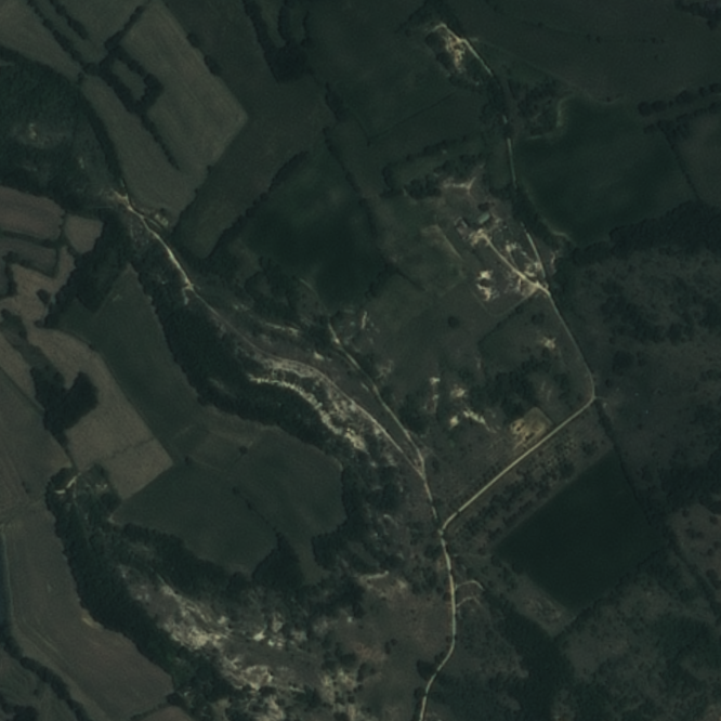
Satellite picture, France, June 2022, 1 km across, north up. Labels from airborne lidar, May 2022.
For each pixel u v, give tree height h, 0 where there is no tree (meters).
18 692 0
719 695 6
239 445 0
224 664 0
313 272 0
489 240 0
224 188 0
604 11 0
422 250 0
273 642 0
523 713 10
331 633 6
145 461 0
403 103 0
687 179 8
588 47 0
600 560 0
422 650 0
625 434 0
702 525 0
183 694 10
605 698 7
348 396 0
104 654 0
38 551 0
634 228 11
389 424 0
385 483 7
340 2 0
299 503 0
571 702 6
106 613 16
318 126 0
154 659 17
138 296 0
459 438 0
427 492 0
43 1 0
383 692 0
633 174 0
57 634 0
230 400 9
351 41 0
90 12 0
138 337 0
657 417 0
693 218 7
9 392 0
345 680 0
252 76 0
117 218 10
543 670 11
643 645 0
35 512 0
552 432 0
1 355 0
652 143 0
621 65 0
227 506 0
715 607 10
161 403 0
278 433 0
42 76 9
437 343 0
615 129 0
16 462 0
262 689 10
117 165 12
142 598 0
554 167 0
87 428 0
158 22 0
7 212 0
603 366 0
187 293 0
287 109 0
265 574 15
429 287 0
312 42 15
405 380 0
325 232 0
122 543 7
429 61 0
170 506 0
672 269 0
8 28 0
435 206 0
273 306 12
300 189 0
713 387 0
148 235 0
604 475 0
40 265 0
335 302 0
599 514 0
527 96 8
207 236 0
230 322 0
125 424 0
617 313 6
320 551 16
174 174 0
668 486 12
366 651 0
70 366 0
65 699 16
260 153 0
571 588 0
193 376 15
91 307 13
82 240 0
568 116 0
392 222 0
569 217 0
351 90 0
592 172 0
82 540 10
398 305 0
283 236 0
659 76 0
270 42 16
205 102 0
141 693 0
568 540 0
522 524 0
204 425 0
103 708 0
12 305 0
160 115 0
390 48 0
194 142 0
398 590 0
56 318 12
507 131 10
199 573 12
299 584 14
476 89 9
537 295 0
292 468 0
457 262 0
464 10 0
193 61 0
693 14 11
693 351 0
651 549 0
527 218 13
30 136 0
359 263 0
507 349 0
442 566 0
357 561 10
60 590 0
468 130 0
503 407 9
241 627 0
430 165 0
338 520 0
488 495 0
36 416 0
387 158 0
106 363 0
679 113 0
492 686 12
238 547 0
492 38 0
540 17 0
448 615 0
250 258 0
